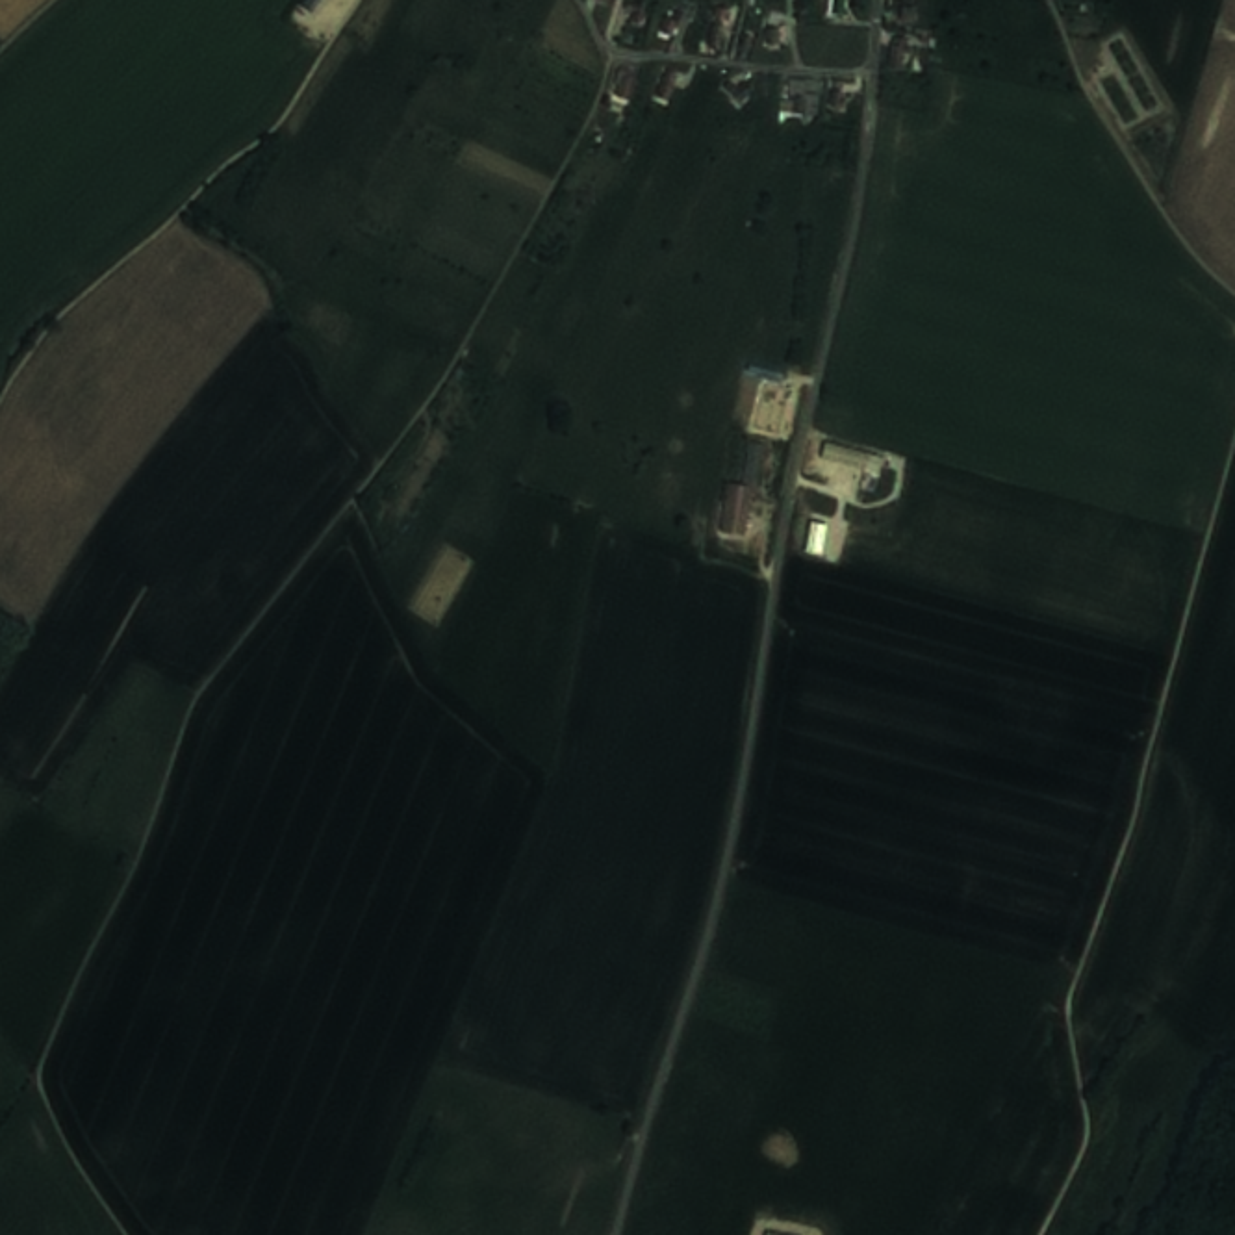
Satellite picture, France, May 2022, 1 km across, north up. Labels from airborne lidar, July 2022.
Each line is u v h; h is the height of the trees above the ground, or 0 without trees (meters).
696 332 0
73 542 0
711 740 0
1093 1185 0
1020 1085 0
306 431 0
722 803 0
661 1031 0
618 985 0
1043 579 0
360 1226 0
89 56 0
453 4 0
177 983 0
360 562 0
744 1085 0
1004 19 0
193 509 0
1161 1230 15
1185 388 0
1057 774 0
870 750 0
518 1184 0
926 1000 0
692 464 0
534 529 0
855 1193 0
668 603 0
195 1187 0
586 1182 0
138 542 0
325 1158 0
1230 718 0
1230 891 0
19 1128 0
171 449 0
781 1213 0
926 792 0
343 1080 0
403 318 0
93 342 0
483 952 0
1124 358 0
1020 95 0
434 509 0
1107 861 0
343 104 0
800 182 0
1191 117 0
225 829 0
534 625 0
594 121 0
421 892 0
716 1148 0
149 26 0
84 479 0
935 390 0
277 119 0
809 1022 0
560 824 0
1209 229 0
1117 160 0
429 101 0
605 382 0
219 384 0
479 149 0
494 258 0
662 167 0
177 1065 0
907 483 0
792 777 0
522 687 0
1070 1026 0
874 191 0
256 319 0
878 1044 0
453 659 0
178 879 0
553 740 0
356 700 0
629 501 0
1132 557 0
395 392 0
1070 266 0
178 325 0
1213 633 0
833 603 0
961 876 0
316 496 0
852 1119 0
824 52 0
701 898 0
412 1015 0
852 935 0
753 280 0
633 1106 0
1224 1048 0
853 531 0
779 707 0
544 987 0
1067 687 0
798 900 0
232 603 0
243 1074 0
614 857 0
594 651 0
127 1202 0
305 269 0
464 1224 0
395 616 0
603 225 0
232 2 0
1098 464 0
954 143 0
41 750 0
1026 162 0
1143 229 0
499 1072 0
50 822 0
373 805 0
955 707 0
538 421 0
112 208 0
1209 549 0
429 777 0
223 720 0
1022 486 0
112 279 0
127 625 0
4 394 0
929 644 0
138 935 0
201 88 0
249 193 7
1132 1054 0
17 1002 0
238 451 0
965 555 0
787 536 0
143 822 0
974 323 0
